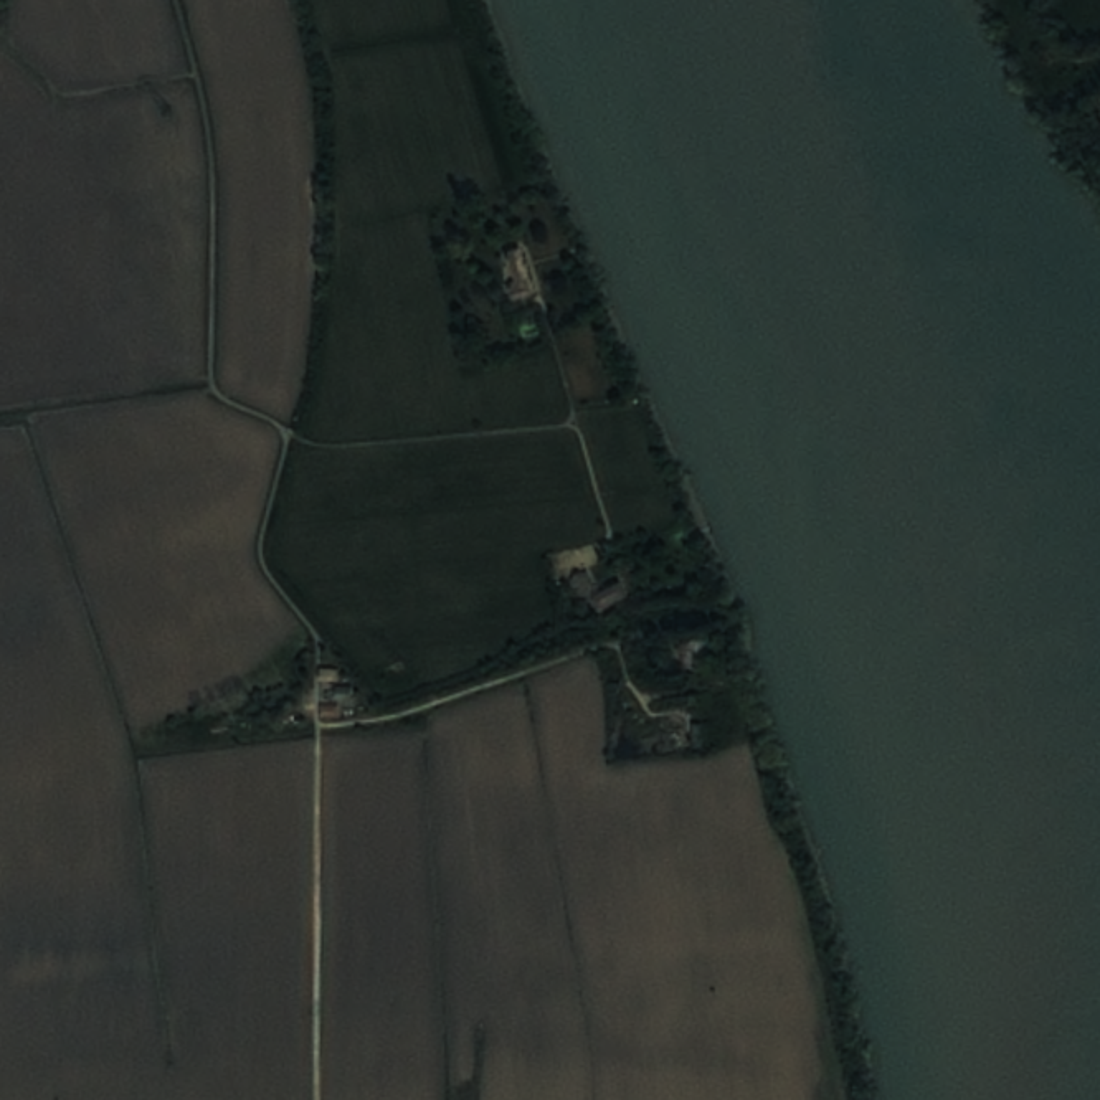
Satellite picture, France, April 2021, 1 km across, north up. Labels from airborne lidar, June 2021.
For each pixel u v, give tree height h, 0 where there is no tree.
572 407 0
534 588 0
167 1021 0
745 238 0
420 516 0
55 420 0
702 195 0
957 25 0
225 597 0
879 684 0
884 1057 0
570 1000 0
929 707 0
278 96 0
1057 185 0
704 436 0
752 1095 0
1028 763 0
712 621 15
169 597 0
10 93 0
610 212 0
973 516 0
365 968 0
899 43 0
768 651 0
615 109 0
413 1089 0
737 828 0
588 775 0
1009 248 0
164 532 0
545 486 0
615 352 10
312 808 0
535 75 0
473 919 0
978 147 0
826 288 0
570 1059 0
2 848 0
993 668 0
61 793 0
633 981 0
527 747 0
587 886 0
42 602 0
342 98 0
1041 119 11
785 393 0
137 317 0
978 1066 0
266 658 0
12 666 0
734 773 0
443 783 0
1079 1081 0
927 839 0
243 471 0
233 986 0
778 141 0
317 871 0
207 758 0
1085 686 0
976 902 0
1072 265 0
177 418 0
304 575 0
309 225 0
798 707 0
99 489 0
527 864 0
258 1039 0
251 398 0
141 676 0
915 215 0
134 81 0
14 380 0
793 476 0
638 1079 0
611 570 9
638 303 0
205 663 0
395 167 0
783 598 0
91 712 0
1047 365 0
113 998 0
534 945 0
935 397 0
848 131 0
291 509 0
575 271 14
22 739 0
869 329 0
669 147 0
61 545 0
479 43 0
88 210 0
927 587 0
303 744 0
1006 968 0
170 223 0
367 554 0
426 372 0
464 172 0
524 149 10
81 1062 0
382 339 0
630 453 0
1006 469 0
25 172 0
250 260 0
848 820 0
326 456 0
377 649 0
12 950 0
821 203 0
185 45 0
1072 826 0
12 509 0
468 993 0
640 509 0
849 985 13
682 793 0
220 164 0
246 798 0
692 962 0
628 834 0
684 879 0
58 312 0
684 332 0
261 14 0
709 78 0
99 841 0
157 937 0
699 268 0
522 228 15
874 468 0
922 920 0
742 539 0
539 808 0
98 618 0
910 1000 0
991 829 0
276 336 0
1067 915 0
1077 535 0
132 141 0
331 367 0
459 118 0
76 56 0
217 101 0
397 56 0
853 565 0
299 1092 0
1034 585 0
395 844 0
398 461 0
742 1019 0
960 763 0
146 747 0
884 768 0
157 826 0
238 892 0
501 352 14
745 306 0
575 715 0
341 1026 0
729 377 0
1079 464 0
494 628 0
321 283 10
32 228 0
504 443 0
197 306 0
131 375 0
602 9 0
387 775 0
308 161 0
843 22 0
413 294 0
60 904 0
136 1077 0
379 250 0
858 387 0
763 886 0
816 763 0
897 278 0
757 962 0
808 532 0
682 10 0
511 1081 0
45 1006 0
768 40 0
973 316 0
